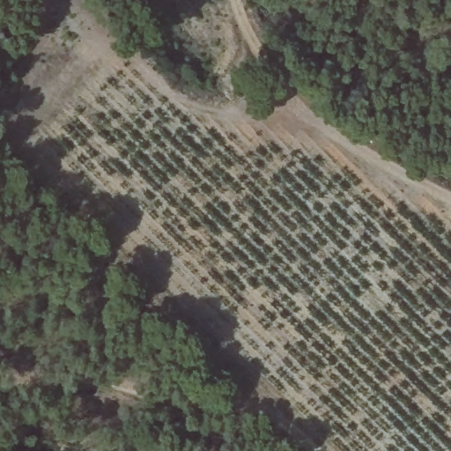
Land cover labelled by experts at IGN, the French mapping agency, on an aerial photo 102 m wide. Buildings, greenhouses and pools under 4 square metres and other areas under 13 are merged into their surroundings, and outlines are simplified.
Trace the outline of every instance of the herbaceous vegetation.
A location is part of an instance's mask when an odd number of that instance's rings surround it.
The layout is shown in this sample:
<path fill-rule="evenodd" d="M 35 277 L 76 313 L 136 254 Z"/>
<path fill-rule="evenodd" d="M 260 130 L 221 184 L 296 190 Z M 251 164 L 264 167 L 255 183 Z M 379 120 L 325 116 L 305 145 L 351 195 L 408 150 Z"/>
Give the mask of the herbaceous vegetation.
<path fill-rule="evenodd" d="M 213 72 L 218 74 L 217 88 L 213 88 L 210 81 L 199 81 L 199 88 L 187 95 L 190 100 L 199 100 L 203 104 L 217 100 L 225 106 L 236 106 L 241 111 L 247 111 L 247 100 L 234 95 L 231 72 L 234 65 L 247 60 L 248 56 L 259 55 L 261 26 L 254 11 L 248 9 L 243 0 L 224 0 L 217 4 L 204 4 L 203 18 L 187 18 L 183 19 L 180 25 L 173 25 L 171 28 L 176 37 L 185 39 L 187 51 L 192 51 L 194 55 L 210 53 L 215 62 Z"/>

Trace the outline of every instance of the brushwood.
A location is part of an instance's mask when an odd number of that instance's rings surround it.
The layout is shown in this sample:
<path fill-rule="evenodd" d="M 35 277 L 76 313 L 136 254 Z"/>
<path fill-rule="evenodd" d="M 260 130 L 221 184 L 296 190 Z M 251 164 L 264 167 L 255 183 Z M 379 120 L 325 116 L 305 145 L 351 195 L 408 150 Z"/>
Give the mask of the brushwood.
<path fill-rule="evenodd" d="M 166 4 L 173 12 L 173 25 L 180 25 L 183 19 L 187 18 L 203 18 L 204 4 L 217 4 L 224 0 L 157 0 L 160 4 Z"/>
<path fill-rule="evenodd" d="M 192 51 L 187 51 L 185 39 L 176 37 L 171 28 L 169 41 L 162 42 L 162 46 L 144 44 L 139 48 L 139 55 L 143 58 L 152 58 L 155 62 L 153 70 L 164 76 L 167 85 L 176 92 L 187 95 L 199 88 L 199 81 L 210 81 L 213 88 L 217 88 L 218 74 L 213 72 L 215 62 L 210 53 L 194 55 Z"/>

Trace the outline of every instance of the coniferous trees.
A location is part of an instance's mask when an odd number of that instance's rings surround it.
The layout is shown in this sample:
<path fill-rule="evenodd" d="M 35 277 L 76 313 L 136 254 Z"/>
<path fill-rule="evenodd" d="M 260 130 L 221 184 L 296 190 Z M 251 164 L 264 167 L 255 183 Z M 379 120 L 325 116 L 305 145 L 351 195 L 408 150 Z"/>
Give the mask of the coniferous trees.
<path fill-rule="evenodd" d="M 351 143 L 368 146 L 379 153 L 382 159 L 400 164 L 410 180 L 430 180 L 439 183 L 444 189 L 451 190 L 451 0 L 243 0 L 248 9 L 254 11 L 261 26 L 259 55 L 248 56 L 247 60 L 234 65 L 231 72 L 234 95 L 247 100 L 247 111 L 247 115 L 255 120 L 264 120 L 275 111 L 275 107 L 285 106 L 292 97 L 301 97 L 314 111 L 315 116 L 321 116 L 326 125 L 336 127 Z"/>
<path fill-rule="evenodd" d="M 107 26 L 107 30 L 111 37 L 115 37 L 115 42 L 111 46 L 113 51 L 122 58 L 139 55 L 139 48 L 144 44 L 162 46 L 162 42 L 169 41 L 171 28 L 173 25 L 173 12 L 166 4 L 160 4 L 157 0 L 102 0 L 111 19 L 111 25 Z"/>
<path fill-rule="evenodd" d="M 85 173 L 63 171 L 62 159 L 65 153 L 58 148 L 58 143 L 53 137 L 37 144 L 28 143 L 28 137 L 39 127 L 39 120 L 33 118 L 35 109 L 41 107 L 44 100 L 41 88 L 30 88 L 25 85 L 26 74 L 37 62 L 33 49 L 41 42 L 42 35 L 55 32 L 63 19 L 67 18 L 72 0 L 0 0 L 0 451 L 314 451 L 315 447 L 322 446 L 328 439 L 328 423 L 319 421 L 315 416 L 307 419 L 294 418 L 291 403 L 285 398 L 259 398 L 257 384 L 264 366 L 259 359 L 241 356 L 240 342 L 234 338 L 238 321 L 234 315 L 227 314 L 220 308 L 220 296 L 194 298 L 190 294 L 176 294 L 164 299 L 162 305 L 153 305 L 153 296 L 166 291 L 169 285 L 173 262 L 171 255 L 159 248 L 139 245 L 134 248 L 134 259 L 129 264 L 116 259 L 118 250 L 127 240 L 127 236 L 136 231 L 143 218 L 137 208 L 137 199 L 122 194 L 111 196 L 107 192 L 93 194 L 93 181 Z"/>

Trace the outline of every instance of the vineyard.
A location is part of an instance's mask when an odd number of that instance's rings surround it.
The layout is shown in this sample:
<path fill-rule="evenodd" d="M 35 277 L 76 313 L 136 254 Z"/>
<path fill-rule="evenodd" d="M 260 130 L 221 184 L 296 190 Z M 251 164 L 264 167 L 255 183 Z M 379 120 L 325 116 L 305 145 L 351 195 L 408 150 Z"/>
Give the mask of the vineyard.
<path fill-rule="evenodd" d="M 153 70 L 155 62 L 152 58 L 143 58 L 139 55 L 122 58 L 113 51 L 111 46 L 115 42 L 115 37 L 111 37 L 107 30 L 107 26 L 111 25 L 111 19 L 102 0 L 72 0 L 67 18 L 63 19 L 55 32 L 42 35 L 41 42 L 33 49 L 37 62 L 26 74 L 25 85 L 30 88 L 41 88 L 44 100 L 41 107 L 35 109 L 33 118 L 39 120 L 39 127 L 28 137 L 28 143 L 37 144 L 53 137 L 58 143 L 58 148 L 65 153 L 62 159 L 63 171 L 85 173 L 93 181 L 93 194 L 107 192 L 111 196 L 122 194 L 137 199 L 137 208 L 143 218 L 136 231 L 127 236 L 127 240 L 118 250 L 116 259 L 129 264 L 134 259 L 134 248 L 139 245 L 159 248 L 171 255 L 173 262 L 169 285 L 166 291 L 153 296 L 153 305 L 162 305 L 164 299 L 176 294 L 190 294 L 194 298 L 220 296 L 220 308 L 227 314 L 234 315 L 238 321 L 234 338 L 240 342 L 241 356 L 259 359 L 264 366 L 257 384 L 259 398 L 285 398 L 291 403 L 294 418 L 307 419 L 315 416 L 319 421 L 328 423 L 328 439 L 322 446 L 315 447 L 314 451 L 451 451 L 451 190 L 444 189 L 439 183 L 430 180 L 410 180 L 400 164 L 382 159 L 379 153 L 368 146 L 351 143 L 336 127 L 326 125 L 321 116 L 315 116 L 314 111 L 301 97 L 292 97 L 285 106 L 275 107 L 275 111 L 264 120 L 255 120 L 247 115 L 247 111 L 241 111 L 236 106 L 225 106 L 217 100 L 203 104 L 199 100 L 190 100 L 187 95 L 176 92 L 167 85 L 164 76 Z"/>

